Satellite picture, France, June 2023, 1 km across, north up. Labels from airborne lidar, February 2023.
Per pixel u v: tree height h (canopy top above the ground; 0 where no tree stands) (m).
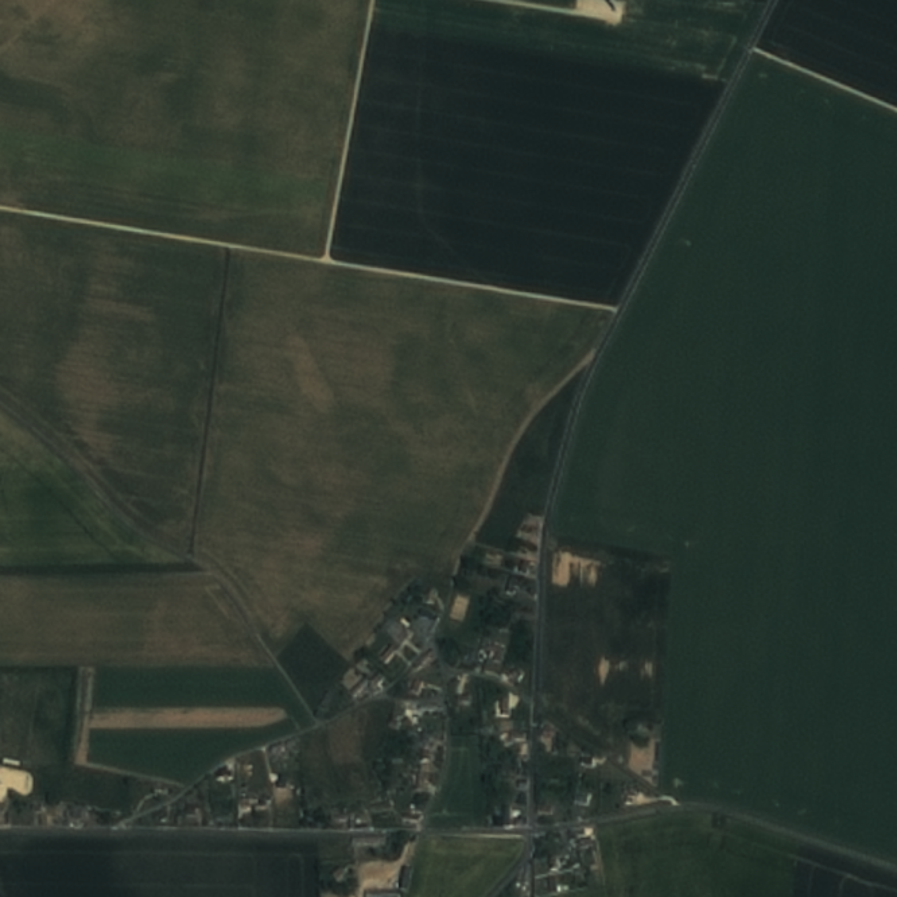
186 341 0
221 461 0
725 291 0
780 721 0
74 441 0
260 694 0
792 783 0
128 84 0
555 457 0
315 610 0
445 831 0
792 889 0
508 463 0
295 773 0
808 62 0
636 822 0
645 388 0
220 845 0
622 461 0
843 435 0
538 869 0
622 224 0
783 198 0
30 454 0
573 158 0
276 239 0
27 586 0
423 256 0
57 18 0
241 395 0
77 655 0
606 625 0
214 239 0
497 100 0
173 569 0
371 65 0
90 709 0
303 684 0
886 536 0
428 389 0
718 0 0
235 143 0
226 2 0
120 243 0
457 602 0
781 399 0
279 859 0
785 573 0
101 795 0
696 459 0
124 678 0
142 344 0
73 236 0
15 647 0
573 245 0
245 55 0
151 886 0
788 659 0
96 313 0
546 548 0
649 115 0
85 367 0
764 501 0
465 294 0
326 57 0
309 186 0
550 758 0
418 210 0
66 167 0
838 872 0
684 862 0
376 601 0
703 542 0
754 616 0
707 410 0
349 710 0
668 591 0
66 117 0
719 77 0
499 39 0
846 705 0
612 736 0
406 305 0
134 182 0
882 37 0
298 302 0
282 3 0
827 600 0
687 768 0
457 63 0
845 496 0
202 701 0
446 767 0
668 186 0
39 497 0
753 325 0
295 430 0
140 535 0
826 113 0
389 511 0
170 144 0
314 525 0
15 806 7
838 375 0
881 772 0
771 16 0
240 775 0
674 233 0
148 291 0
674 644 0
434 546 0
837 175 0
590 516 0
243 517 0
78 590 0
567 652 0
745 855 0
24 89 0
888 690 0
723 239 0
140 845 0
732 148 0
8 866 0
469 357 0
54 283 0
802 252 0
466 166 0
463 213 0
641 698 0
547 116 0
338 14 0
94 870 0
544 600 0
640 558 0
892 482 0
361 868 0
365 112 0
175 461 0
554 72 0
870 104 0
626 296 0
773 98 0
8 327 0
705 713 0
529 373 0
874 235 0
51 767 0
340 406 0
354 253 0
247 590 0
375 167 0
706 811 0
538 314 0
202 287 0
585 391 0
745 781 0
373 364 0
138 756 0
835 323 0
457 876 0
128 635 0
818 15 0
